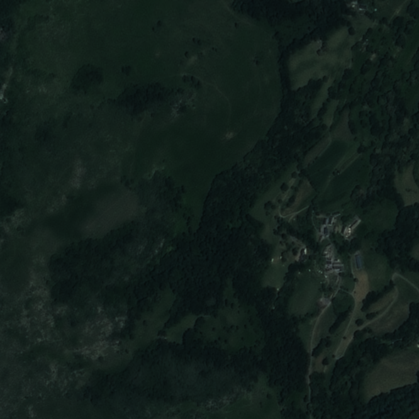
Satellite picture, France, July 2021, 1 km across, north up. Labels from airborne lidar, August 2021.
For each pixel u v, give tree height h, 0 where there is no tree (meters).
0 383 0
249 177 20
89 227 0
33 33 0
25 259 0
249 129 0
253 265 14
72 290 10
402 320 0
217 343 16
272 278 0
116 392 6
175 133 0
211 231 24
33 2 0
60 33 0
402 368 0
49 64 0
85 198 0
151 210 6
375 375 0
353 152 0
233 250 16
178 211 19
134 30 0
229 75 0
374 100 22
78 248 10
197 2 0
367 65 13
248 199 22
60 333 0
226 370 7
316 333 0
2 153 7
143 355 12
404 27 16
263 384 0
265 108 0
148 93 19
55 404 0
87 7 0
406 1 0
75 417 0
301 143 25
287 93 15
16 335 0
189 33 0
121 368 0
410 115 23
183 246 27
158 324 0
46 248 0
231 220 9
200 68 0
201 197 0
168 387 9
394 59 22
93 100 0
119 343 7
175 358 9
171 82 0
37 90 0
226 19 0
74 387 0
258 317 8
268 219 0
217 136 0
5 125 12
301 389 19
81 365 10
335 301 13
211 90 0
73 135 0
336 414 12
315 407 20
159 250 10
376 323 0
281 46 10
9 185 8
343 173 0
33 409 0
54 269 7
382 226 0
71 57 0
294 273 18
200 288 12
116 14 0
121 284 10
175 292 18
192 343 19
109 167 0
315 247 14
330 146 0
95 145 0
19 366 0
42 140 8
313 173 0
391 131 19
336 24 15
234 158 0
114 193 0
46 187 0
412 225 14
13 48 0
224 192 19
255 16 17
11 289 0
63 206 0
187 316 21
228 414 0
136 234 7
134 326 16
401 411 18
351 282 0
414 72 19
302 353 20
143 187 11
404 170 22
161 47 0
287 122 17
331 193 0
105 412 0
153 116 10
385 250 14
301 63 0
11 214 8
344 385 25
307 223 8
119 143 0
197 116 0
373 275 0
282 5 22
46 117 0
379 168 24
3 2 10
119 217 0
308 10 19
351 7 6
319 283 0
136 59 0
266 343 8
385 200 9
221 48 0
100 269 6
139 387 6
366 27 0
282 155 18
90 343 0
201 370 7
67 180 0
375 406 22
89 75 14
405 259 15
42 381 0
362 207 14
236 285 22
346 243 10
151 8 0
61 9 0
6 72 0
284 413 19
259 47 0
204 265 29
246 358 27
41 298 0
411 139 18
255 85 0
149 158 0
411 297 0
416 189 0
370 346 24
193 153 0
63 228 0
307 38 14
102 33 0
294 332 19
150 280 11
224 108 0
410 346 21
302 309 0
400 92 23
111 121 0
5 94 6
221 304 19
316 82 14
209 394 7
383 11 0
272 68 0
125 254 10
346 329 0
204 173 0
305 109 22
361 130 0
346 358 8
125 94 10
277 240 0
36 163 0
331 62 0
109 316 7
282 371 17
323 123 10
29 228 0
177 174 0
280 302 22
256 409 0
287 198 0
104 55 0
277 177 10
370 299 17
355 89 16
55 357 0
